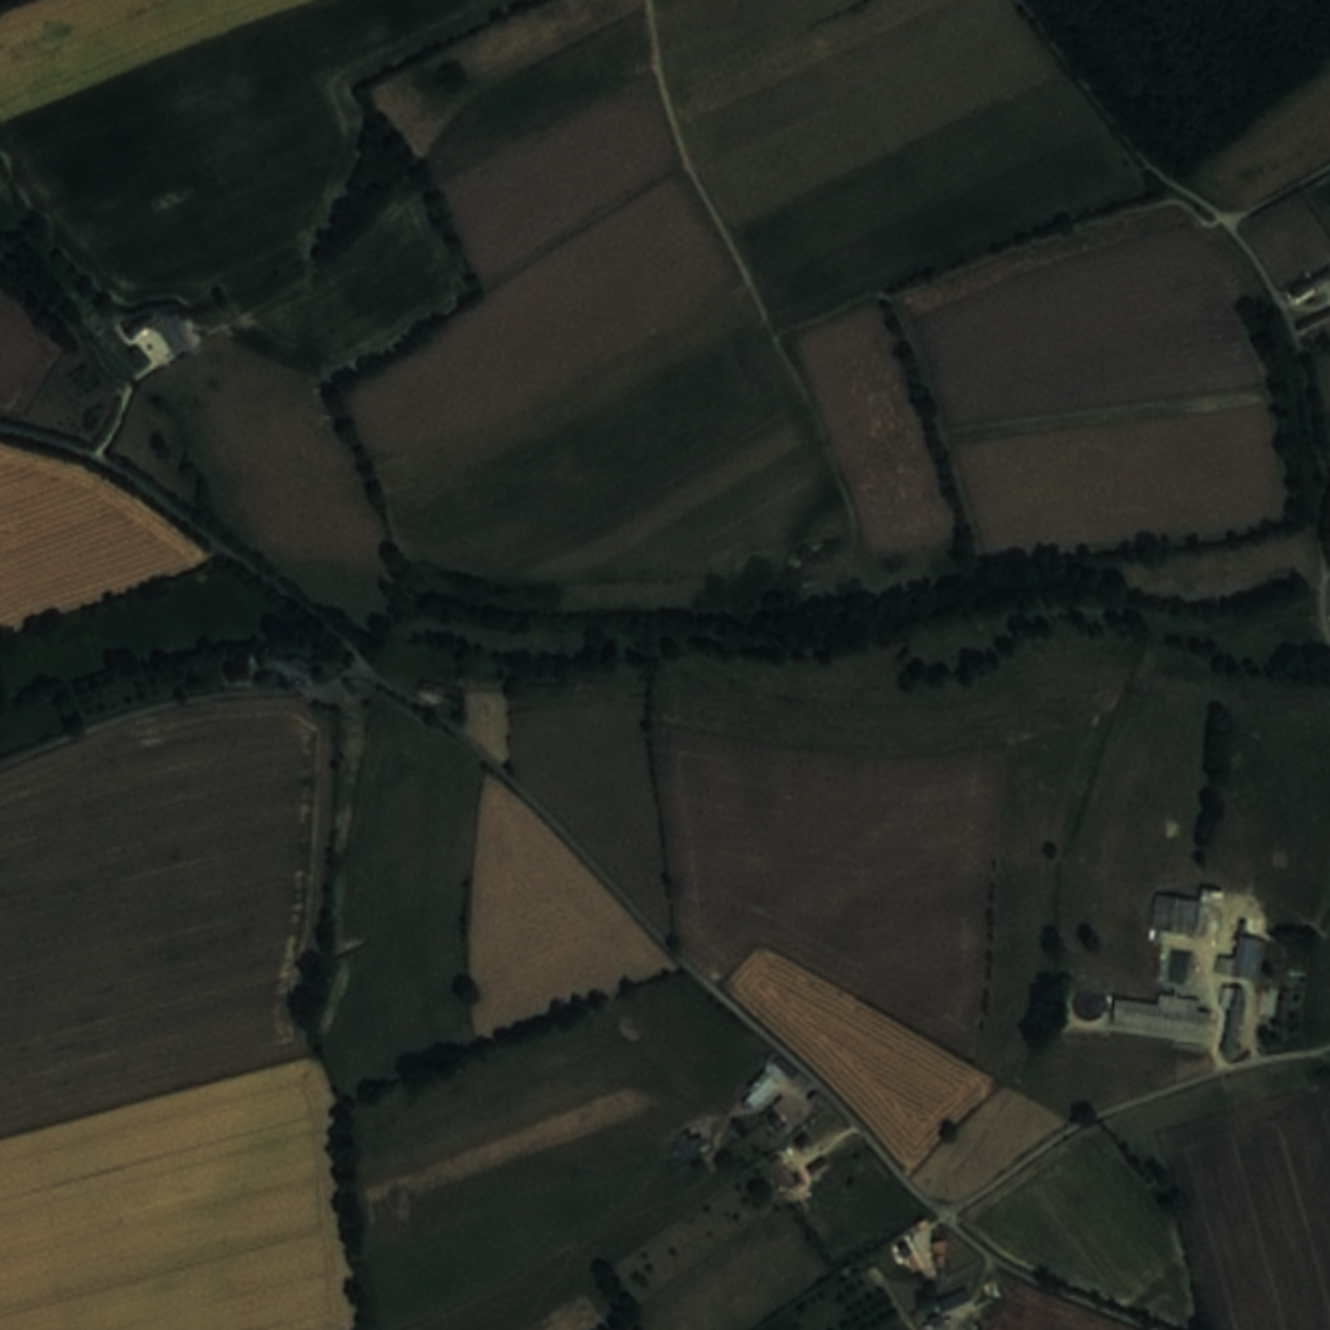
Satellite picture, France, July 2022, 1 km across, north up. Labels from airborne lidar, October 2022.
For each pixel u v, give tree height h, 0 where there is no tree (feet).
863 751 0
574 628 26
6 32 0
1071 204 0
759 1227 0
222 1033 0
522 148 0
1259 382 0
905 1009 0
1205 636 0
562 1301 0
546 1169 0
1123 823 0
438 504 0
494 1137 0
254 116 0
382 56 0
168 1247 0
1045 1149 0
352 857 0
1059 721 0
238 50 0
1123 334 0
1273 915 0
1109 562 24
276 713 0
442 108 0
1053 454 0
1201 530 0
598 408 0
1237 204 0
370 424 0
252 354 0
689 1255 0
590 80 0
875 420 0
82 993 0
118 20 0
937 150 0
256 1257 0
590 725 0
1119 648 0
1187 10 79
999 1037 0
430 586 0
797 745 0
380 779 0
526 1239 0
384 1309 0
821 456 0
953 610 64
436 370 0
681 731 0
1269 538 44
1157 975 0
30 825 0
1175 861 0
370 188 19
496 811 0
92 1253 0
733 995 0
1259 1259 0
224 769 0
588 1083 0
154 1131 0
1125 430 0
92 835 0
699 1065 0
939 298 0
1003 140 0
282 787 0
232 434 0
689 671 0
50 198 0
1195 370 0
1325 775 0
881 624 75
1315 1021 0
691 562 0
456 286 0
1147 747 0
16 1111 0
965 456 0
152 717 0
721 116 0
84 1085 0
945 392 0
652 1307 0
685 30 0
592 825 0
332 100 0
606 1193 0
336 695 0
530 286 0
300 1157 0
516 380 0
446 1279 0
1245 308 44
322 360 0
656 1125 0
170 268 0
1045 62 0
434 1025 0
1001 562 53
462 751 0
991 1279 0
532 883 0
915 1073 0
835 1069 0
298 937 0
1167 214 0
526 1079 0
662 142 0
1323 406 27
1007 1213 0
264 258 0
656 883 0
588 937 0
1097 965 0
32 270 62
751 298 0
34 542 0
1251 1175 0
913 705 0
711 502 0
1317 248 0
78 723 64
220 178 0
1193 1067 0
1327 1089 0
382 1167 0
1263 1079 0
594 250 0
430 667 0
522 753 0
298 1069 0
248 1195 0
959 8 0
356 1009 0
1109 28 72
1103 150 0
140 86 0
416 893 0
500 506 0
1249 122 44
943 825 0
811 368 0
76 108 0
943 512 0
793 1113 0
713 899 0
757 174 0
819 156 0
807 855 0
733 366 0
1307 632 0
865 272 0
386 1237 0
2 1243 0
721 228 0
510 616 24
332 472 0
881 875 0
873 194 0
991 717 0
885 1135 0
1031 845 0
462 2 0
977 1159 0
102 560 0
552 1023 32
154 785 0
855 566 0
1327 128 0
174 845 0
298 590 20
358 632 42
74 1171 0
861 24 0
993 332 0
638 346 0
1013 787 0
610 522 0
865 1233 0
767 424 0
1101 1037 0
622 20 0
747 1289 0
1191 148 48
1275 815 0
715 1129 0
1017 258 0
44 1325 0
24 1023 0
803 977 0
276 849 0
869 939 0
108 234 0
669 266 0
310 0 0
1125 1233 0
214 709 0
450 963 0
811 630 62
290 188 0
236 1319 0
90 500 0
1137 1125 0
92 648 0
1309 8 57
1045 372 0
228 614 0
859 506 0
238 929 0
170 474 0
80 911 0
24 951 0
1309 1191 0
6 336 0
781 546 0
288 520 0
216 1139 0
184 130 0
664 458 0
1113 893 0
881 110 0
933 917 0
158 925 0
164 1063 0
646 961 0
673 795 0
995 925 19
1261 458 0
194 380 0
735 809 0
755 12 0
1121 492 0
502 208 0
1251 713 0
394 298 0
